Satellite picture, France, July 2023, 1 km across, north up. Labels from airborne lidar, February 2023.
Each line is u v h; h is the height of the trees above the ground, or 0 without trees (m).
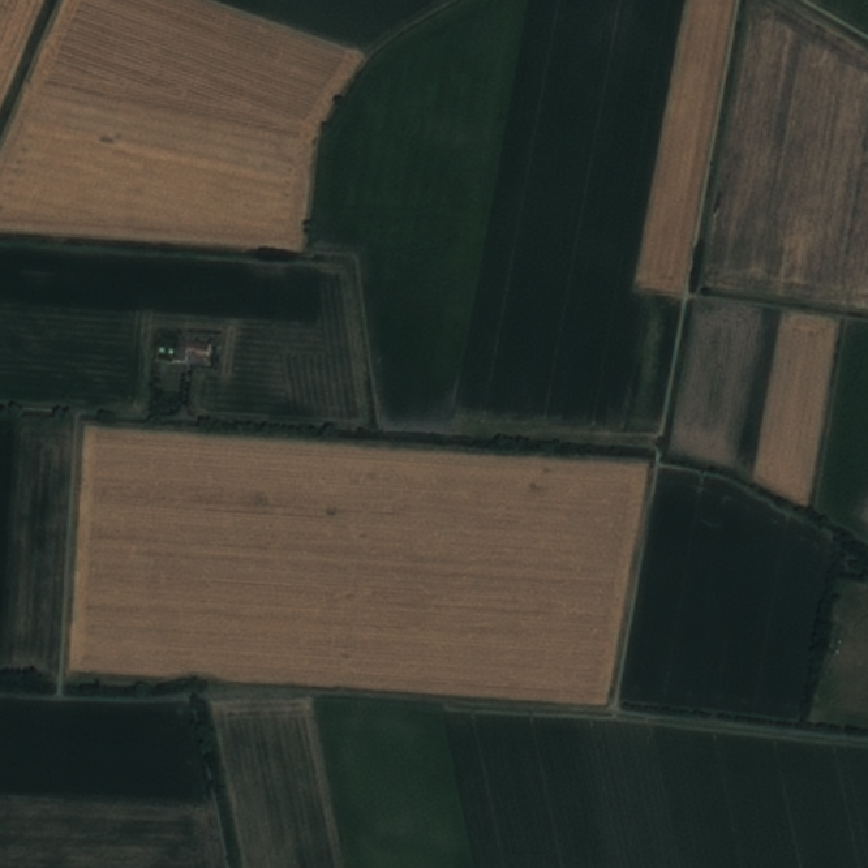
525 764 0
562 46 0
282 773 0
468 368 0
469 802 0
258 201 0
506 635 0
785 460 0
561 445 9
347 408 0
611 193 0
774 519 0
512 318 0
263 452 0
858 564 10
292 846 0
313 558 0
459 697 0
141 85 0
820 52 0
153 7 0
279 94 0
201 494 0
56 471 0
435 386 0
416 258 0
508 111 0
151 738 0
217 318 0
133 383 0
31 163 0
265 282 0
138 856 0
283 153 0
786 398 0
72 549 0
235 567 0
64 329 0
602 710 0
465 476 0
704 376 0
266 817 0
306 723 0
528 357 0
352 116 0
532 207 0
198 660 0
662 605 0
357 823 0
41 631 0
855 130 0
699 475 0
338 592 0
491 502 0
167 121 0
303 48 0
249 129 0
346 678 0
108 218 0
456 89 0
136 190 0
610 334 0
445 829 0
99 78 0
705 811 0
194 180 0
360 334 0
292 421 0
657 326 0
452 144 0
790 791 0
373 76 0
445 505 0
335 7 0
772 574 0
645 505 0
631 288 0
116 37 0
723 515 0
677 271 0
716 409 0
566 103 0
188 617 0
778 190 0
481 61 0
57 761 0
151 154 0
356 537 0
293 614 0
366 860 0
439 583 0
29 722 0
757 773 0
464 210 0
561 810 0
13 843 0
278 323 0
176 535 0
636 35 0
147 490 0
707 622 0
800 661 0
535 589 0
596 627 0
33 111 0
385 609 0
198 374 0
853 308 0
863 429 0
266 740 0
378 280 0
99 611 0
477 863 0
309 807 0
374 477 0
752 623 0
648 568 0
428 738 0
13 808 0
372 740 0
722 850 0
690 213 0
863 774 0
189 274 0
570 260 0
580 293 0
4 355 0
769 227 0
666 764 0
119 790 0
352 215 0
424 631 0
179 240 0
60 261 0
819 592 0
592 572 0
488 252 0
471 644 0
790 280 0
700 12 0
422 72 0
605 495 0
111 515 0
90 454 0
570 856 0
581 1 0
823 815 0
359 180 0
